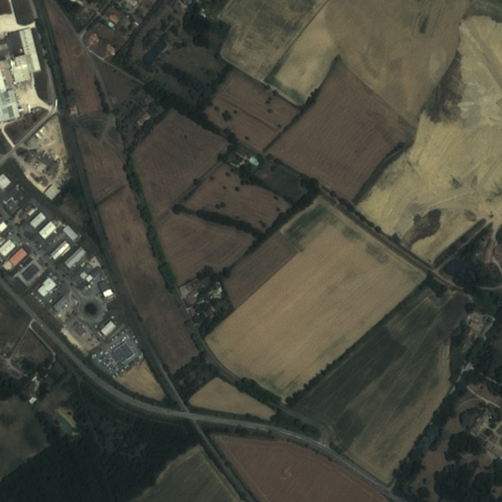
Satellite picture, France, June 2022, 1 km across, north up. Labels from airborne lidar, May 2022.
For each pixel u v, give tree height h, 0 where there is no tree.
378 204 0
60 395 0
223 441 0
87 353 0
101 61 0
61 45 0
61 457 17
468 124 0
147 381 0
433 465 0
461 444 25
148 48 8
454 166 0
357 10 0
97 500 18
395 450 0
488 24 0
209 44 15
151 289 0
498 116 0
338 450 12
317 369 0
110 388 0
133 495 15
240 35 0
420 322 0
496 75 0
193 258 0
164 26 10
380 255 0
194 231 0
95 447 11
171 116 0
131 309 0
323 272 0
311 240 0
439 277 0
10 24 0
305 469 0
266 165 0
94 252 0
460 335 10
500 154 0
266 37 0
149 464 12
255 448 0
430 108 0
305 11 0
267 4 0
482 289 6
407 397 0
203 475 0
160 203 0
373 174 0
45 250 0
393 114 0
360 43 0
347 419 0
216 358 0
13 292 0
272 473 0
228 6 0
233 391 0
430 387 0
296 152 0
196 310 10
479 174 0
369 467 0
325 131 0
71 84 0
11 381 16
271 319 0
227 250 0
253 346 0
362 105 0
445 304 0
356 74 0
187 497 0
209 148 0
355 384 0
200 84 19
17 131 0
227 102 0
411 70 0
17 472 14
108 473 9
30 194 0
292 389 0
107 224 0
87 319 0
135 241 0
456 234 0
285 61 0
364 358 0
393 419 0
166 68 14
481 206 0
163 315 0
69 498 16
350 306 0
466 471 25
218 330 0
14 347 0
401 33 0
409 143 0
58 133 0
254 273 0
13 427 0
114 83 0
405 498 8
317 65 0
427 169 0
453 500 22
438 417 16
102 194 0
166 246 0
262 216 0
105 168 0
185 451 12
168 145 0
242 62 0
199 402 0
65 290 0
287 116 0
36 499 20
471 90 0
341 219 0
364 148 0
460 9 0
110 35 0
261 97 0
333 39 0
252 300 0
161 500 0
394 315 0
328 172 0
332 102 0
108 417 9
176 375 8
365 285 0
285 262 0
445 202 0
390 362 0
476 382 16
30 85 0
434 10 0
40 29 18
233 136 14
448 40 0
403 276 0
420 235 0
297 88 0
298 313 0
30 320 0
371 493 0
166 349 0
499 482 20
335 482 0
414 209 0
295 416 0
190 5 9
